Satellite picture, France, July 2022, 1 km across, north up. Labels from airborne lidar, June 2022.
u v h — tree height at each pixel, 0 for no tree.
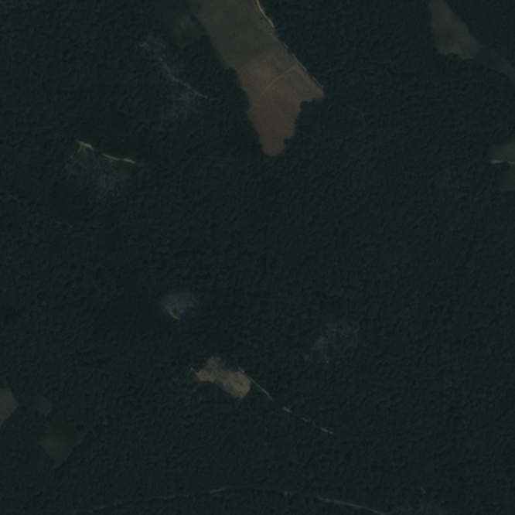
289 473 25
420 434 18
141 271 27
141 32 10
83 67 27
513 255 23
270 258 17
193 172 24
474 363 20
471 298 19
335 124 20
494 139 23
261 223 17
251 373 11
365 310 18
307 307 9
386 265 25
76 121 15
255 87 0
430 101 16
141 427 26
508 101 0
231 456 20
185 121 28
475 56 0
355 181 20
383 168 22
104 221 9
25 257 22
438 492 17
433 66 13
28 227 23
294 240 28
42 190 20
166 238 17
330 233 16
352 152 22
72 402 24
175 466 20
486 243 23
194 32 0
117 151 15
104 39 7
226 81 14
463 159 19
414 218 21
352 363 25
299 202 22
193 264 7
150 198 26
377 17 25
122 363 23
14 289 25
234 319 20
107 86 14
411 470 16
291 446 19
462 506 17
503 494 18
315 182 19
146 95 25
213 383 18
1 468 25
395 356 25
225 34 0
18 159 28
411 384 23
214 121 12
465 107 17
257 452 24
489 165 22
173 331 20
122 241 10
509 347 27
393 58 30
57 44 28
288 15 9
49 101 25
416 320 24
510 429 23
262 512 22
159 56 15
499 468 23
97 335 25
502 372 25
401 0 15
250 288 24
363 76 24
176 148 32
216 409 22
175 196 25
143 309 17
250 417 26
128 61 29
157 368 18
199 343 22
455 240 20
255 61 0
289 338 18
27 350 26
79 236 23
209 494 18
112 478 24
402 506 27
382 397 25
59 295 31
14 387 22
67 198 7
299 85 0
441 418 27
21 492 26
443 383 27
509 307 25
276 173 17
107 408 30
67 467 13
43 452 20
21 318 25
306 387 27
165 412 26
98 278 18
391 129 20
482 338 31
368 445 18
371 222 20
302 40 14
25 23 9
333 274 21
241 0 0
